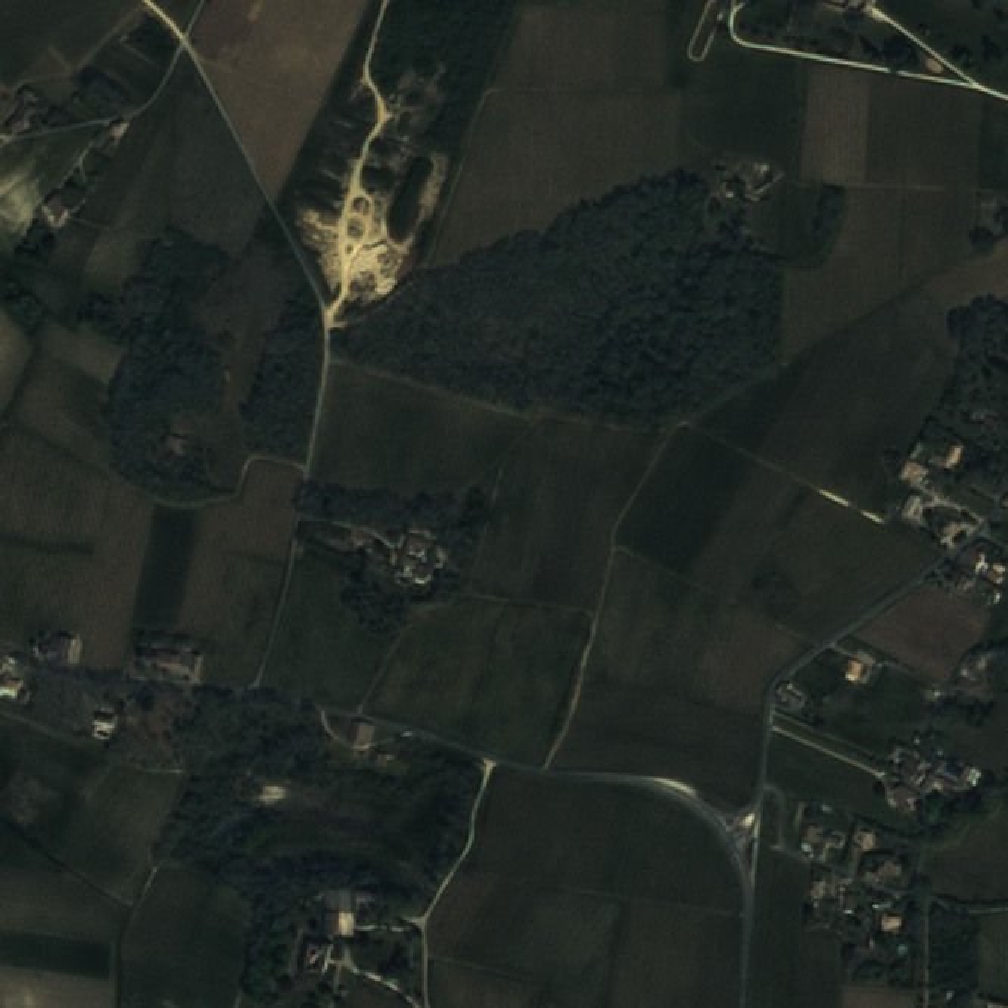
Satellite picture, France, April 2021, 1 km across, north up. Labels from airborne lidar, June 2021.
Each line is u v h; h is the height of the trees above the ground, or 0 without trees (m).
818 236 12
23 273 0
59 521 0
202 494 16
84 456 0
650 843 0
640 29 0
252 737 24
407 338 12
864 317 0
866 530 0
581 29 0
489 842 0
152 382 7
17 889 0
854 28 17
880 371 0
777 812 0
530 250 15
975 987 13
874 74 0
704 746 0
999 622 0
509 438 0
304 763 20
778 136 0
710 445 0
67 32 0
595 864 0
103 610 0
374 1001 0
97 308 16
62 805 0
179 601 0
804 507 0
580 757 0
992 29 0
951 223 0
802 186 0
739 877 0
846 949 6
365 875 9
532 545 0
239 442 0
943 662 0
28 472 0
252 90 0
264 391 12
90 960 0
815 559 0
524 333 15
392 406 0
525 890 0
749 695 0
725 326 19
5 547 0
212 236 0
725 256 19
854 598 0
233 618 0
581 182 0
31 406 0
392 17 7
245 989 6
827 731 8
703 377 16
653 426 14
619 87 0
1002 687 12
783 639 0
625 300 21
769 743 0
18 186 0
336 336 7
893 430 0
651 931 0
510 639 0
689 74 0
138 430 22
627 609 0
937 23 0
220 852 10
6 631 0
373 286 0
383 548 10
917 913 16
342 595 0
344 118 0
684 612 0
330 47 0
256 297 0
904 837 8
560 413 9
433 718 0
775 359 10
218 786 9
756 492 0
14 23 0
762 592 0
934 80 0
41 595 0
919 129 0
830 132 0
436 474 0
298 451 16
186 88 0
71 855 0
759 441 0
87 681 18
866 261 0
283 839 0
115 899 0
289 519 0
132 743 16
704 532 0
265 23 0
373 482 0
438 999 0
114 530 0
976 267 0
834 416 0
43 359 0
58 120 9
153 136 0
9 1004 0
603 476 0
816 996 0
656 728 0
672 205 20
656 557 0
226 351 13
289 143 0
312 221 0
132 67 0
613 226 17
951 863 0
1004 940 0
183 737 17
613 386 16
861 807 0
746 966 0
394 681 0
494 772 0
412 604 8
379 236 0
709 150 0
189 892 0
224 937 0
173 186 0
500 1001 0
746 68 0
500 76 0
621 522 0
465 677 0
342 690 0
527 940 0
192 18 0
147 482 18
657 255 25
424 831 0
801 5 11
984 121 0
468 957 0
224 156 0
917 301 0
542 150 0
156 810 0
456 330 13
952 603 0
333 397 0
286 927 15
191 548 0
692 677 0
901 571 0
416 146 0
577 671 0
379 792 13
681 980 0
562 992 0
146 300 16
